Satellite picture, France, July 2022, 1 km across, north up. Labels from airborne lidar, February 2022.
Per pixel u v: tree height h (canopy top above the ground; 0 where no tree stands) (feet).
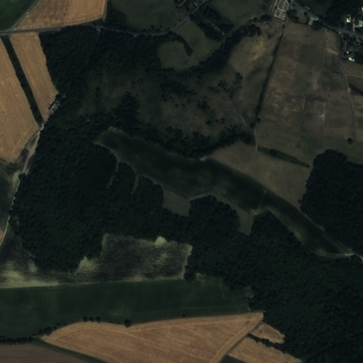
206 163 0
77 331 0
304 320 21
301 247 43
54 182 53
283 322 29
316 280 24
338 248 0
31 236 57
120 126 52
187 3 21
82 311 0
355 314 32
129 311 0
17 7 0
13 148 0
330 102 0
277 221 31
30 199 59
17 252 0
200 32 0
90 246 62
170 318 0
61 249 45
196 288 0
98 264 0
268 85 0
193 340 0
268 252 32
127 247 0
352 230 75
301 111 0
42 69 0
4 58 0
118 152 0
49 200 31
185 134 0
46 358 0
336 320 64
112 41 52
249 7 0
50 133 39
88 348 0
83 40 55
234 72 0
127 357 0
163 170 0
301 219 0
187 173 0
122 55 52
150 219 51
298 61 0
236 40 21
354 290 27
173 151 48
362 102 0
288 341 54
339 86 0
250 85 0
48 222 19
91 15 0
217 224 81
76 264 49
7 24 0
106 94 0
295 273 23
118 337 0
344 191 78
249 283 63
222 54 28
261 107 28
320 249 0
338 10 52
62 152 30
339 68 0
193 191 0
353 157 0
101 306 0
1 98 0
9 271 0
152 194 68
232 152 0
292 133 0
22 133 0
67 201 75
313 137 0
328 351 51
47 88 0
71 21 0
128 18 0
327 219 70
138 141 0
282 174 0
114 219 46
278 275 23
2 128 0
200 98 0
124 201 62
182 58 0
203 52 0
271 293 47
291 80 0
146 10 0
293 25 0
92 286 0
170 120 0
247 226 0
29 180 24
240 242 31
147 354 0
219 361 0
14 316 0
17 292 0
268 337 0
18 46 0
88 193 87
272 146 0
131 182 25
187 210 0
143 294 0
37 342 0
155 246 0
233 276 50
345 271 41
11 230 0
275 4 0
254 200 0
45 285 0
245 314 0
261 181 0
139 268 0
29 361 0
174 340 0
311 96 0
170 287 0
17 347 0
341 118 0
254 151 0
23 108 0
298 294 21
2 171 0
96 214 61
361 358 50
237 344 0
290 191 0
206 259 24
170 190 0
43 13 0
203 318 0
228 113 0
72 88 34
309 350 53
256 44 0
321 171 69
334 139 0
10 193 0
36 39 0
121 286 0
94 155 71
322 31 0
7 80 0
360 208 74
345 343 80
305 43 0
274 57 0
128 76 0
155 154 0
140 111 0
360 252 39
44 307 0
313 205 72
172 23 0
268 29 0
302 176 0
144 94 0
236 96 0
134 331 0
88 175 86
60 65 45
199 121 0
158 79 0
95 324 0
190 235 75
